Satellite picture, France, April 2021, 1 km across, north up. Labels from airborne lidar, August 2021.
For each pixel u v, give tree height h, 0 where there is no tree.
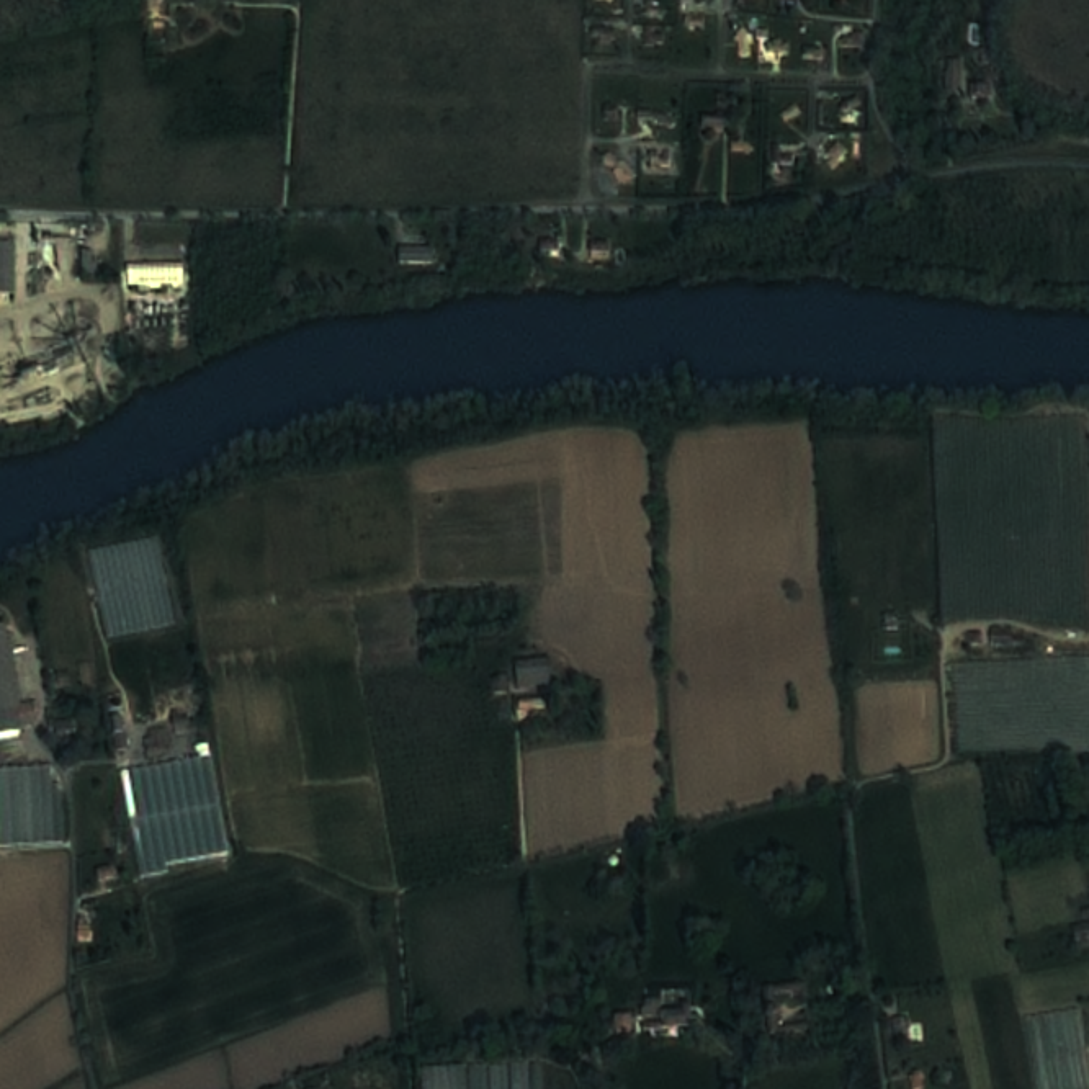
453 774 0
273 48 0
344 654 0
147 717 0
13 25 22
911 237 13
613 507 0
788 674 0
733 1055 20
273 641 0
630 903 0
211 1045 0
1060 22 0
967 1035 0
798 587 12
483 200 0
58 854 0
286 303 7
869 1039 20
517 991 0
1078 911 8
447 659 9
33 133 0
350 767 0
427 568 0
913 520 0
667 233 0
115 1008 0
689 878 0
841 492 0
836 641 11
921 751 0
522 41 0
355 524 0
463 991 0
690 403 21
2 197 0
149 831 0
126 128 0
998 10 22
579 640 0
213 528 0
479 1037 17
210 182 0
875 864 0
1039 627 0
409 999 6
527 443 0
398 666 0
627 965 18
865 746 0
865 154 0
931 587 0
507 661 12
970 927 0
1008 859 15
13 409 0
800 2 9
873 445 0
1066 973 0
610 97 0
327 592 0
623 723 0
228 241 15
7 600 0
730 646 0
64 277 0
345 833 0
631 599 0
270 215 10
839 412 12
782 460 0
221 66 0
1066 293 18
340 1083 0
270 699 0
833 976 12
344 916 0
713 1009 13
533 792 0
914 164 29
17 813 0
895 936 0
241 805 0
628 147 0
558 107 0
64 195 0
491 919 0
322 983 0
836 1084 0
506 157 0
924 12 16
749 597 0
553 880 0
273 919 0
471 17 0
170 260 0
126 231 0
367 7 0
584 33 0
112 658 0
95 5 33
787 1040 8
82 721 28
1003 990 0
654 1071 0
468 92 0
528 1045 13
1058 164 0
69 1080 0
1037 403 13
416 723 0
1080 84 0
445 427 31
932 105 15
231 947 0
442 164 0
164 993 0
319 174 0
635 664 0
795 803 16
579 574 0
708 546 0
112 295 0
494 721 0
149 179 0
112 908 0
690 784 0
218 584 0
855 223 21
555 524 0
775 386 11
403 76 0
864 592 0
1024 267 10
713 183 0
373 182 0
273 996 0
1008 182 9
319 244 0
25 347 0
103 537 15
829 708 0
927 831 0
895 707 0
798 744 0
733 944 0
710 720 0
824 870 0
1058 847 18
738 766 0
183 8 8
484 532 0
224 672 0
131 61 0
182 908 0
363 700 0
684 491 0
